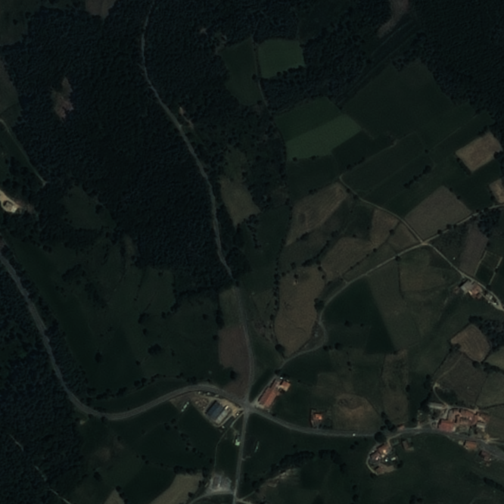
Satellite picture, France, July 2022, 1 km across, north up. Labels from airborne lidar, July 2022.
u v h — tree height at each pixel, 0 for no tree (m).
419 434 0
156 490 0
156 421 0
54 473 15
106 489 0
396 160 0
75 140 22
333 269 0
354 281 0
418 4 7
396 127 0
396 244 0
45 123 24
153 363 0
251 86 0
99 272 0
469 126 0
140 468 0
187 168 13
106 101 21
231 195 0
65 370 21
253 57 0
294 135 0
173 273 10
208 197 16
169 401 0
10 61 15
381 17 11
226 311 0
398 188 0
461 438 0
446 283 0
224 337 0
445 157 0
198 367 0
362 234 0
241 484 0
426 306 0
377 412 0
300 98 19
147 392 0
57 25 26
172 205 18
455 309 0
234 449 0
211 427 0
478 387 0
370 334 0
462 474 0
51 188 17
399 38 0
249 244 0
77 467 19
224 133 14
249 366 0
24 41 11
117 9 17
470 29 6
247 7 26
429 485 0
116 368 0
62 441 18
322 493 0
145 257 13
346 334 0
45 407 32
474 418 0
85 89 16
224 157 8
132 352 0
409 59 12
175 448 0
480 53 7
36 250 0
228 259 14
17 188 19
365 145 0
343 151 0
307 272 0
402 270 0
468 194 0
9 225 20
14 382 30
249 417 0
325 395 0
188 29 13
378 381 0
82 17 22
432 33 9
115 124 20
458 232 0
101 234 7
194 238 21
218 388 0
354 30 6
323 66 8
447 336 0
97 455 0
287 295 0
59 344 23
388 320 0
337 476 0
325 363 0
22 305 28
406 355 0
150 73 16
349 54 19
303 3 15
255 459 0
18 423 30
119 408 0
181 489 0
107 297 0
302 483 0
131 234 17
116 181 16
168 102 17
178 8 18
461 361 0
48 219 18
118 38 20
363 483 0
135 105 19
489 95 11
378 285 0
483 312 0
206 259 14
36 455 23
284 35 21
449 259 0
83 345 0
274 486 0
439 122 0
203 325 0
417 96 0
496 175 0
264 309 0
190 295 19
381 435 17
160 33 14
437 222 0
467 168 11
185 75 12
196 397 0
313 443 0
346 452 0
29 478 22
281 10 21
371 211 0
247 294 0
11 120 0
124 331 0
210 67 14
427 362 0
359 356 0
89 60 18
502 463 0
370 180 0
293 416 0
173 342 0
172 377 0
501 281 0
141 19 18
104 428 0
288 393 0
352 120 0
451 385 0
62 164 19
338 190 0
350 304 0
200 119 15
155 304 0
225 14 16
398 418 0
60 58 20
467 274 0
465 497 0
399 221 0
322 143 0
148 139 19
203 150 13
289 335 0
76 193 0
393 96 0
